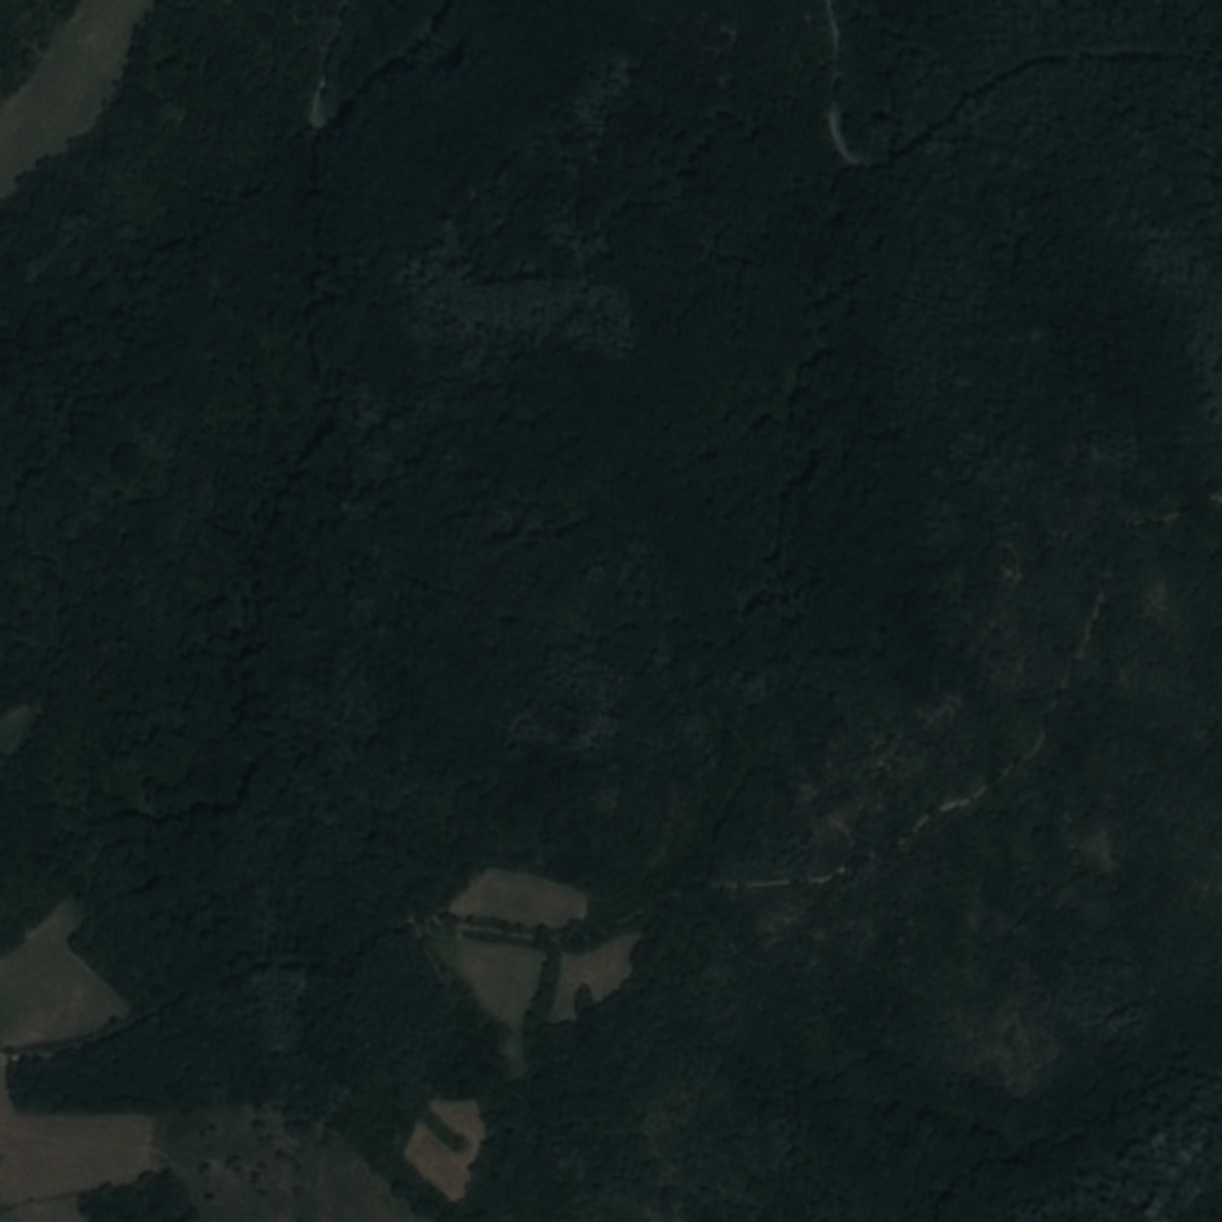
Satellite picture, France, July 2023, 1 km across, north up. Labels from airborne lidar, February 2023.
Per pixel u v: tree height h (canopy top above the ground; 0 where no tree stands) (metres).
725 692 22
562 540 19
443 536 20
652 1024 15
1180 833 9
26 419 16
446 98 23
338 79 24
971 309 20
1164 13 21
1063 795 7
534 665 17
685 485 25
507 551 19
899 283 19
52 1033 0
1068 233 16
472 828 6
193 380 18
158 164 9
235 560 23
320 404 7
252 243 15
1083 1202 22
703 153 9
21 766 11
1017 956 12
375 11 27
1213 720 8
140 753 21
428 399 14
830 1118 24
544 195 14
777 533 18
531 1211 5
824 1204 17
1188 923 10
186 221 21
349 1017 21
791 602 8
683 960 8
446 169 21
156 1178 9
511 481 18
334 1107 15
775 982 14
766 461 31
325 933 15
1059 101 23
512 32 16
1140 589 6
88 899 14
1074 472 8
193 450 20
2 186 0
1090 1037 15
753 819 16
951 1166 15
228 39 12
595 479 18
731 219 25
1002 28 21
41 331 25
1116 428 7
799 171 26
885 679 12
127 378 21
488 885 0
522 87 18
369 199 20
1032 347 19
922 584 20
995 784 11
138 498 8
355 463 18
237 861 13
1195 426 9
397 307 10
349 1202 0
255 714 13
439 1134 7
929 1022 7
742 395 27
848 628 22
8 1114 0
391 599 12
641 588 16
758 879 11
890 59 28
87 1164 0
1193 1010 17
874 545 25
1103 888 11
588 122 18
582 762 7
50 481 16
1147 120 22
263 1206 0
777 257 25
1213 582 18
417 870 6
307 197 17
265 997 17
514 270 18
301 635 21
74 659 14
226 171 19
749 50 21
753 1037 12
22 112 0
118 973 8
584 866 10
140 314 17
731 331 23
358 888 18
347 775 8
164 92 6
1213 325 20
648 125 22
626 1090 13
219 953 14
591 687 16
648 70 15
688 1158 8
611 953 0
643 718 14
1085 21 22
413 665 18
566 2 20
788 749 13
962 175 19
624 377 22
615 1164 14
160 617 19
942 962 8
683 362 23
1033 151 15
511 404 14
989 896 10
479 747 13
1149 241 18
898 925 9
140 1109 16
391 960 19
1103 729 11
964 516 13
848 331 26
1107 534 12
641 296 21
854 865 10
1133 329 13
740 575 25
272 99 24
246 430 22
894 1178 14
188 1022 14
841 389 26
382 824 10
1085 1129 27
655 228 22
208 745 20
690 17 15
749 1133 17
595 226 19
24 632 6
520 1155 18
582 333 21
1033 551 10
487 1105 8
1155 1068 16
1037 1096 6
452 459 20
